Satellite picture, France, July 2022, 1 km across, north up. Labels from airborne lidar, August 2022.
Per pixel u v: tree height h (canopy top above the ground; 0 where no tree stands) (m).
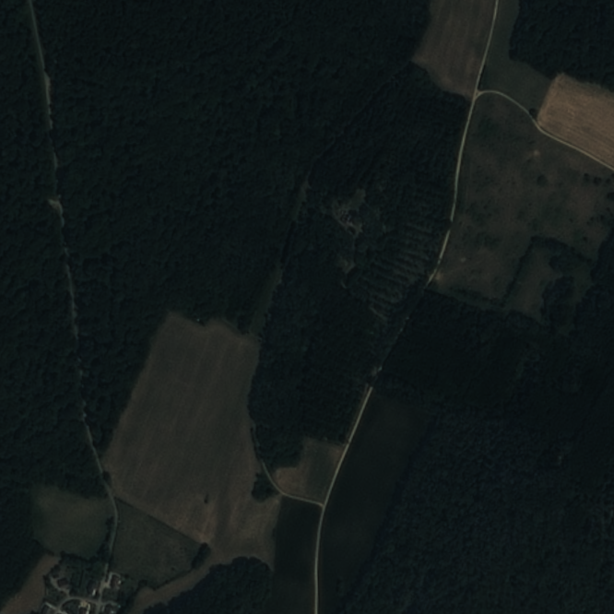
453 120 18
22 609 0
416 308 15
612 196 9
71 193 28
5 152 28
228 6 16
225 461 0
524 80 0
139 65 25
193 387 0
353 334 17
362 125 19
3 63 25
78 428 27
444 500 26
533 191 0
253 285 13
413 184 15
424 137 20
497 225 0
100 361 29
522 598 26
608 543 17
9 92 26
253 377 0
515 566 20
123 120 26
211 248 24
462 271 0
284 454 11
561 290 27
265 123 25
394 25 15
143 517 0
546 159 0
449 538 30
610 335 20
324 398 19
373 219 19
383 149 18
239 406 0
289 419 18
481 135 0
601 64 27
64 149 26
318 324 24
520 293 0
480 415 20
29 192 25
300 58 24
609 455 14
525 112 0
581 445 18
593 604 9
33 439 31
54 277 27
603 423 18
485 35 0
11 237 26
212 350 0
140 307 27
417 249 12
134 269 27
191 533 0
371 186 15
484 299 6
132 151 20
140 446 0
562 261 28
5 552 25
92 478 23
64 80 21
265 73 26
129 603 14
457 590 24
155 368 0
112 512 0
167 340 0
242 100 24
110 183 21
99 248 24
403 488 23
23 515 25
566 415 11
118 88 22
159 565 0
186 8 25
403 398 20
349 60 29
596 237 0
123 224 22
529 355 23
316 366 32
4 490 20
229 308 8
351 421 12
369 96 18
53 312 21
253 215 24
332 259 19
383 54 23
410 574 23
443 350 14
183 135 22
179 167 23
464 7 0
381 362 14
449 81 0
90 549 0
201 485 0
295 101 7
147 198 13
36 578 0
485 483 30
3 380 26
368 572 22
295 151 21
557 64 17
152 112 23
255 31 21
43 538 0
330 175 18
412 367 13
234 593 14
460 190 0
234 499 0
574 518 25
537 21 25
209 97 23
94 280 20
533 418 14
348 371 14
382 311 12
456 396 12
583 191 0
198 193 24
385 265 18
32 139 26
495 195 0
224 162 16
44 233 27
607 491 8
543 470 23
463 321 24
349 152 17
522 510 28
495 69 0
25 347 26
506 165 0
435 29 0
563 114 0
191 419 0
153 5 18
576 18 26
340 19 18
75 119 22
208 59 24
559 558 23
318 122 30
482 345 20
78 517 0
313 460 0
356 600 21
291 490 0
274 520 0
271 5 17
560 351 8
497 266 0
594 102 0
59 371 18
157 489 0
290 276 21
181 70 23
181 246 24
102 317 29
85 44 21
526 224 0
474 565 23
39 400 19
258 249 24
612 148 0
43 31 20
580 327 20
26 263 22
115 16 20
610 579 17
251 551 0
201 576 0
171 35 21
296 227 13
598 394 15
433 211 12
